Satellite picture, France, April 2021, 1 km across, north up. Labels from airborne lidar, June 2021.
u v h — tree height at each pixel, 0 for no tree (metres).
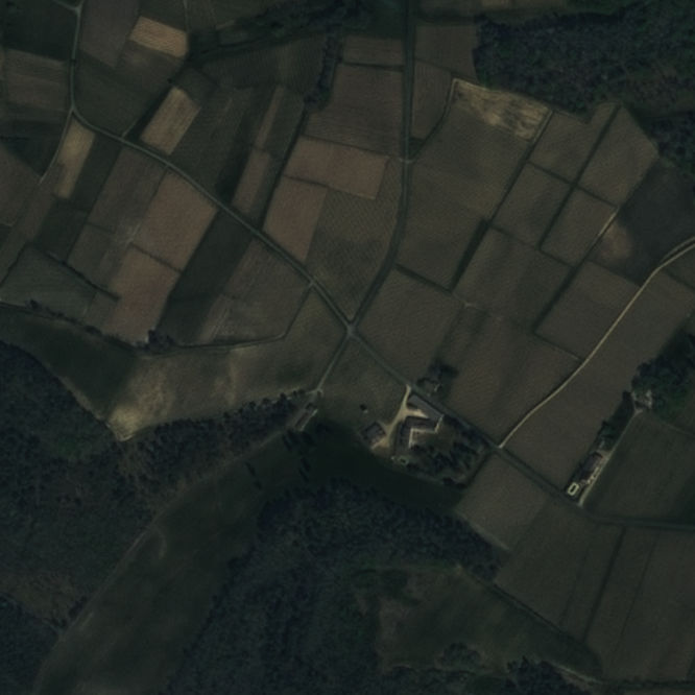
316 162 0
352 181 0
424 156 0
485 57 17
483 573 14
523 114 0
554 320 0
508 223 0
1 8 0
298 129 0
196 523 0
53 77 0
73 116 0
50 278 0
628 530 0
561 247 0
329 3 0
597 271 0
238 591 18
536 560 0
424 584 0
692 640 0
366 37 0
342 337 0
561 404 0
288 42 0
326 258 0
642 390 17
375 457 0
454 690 19
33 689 18
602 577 0
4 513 17
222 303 0
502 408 0
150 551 0
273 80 0
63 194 0
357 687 14
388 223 0
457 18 0
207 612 0
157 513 11
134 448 10
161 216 0
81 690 0
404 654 0
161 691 0
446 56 0
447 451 0
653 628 0
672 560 0
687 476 0
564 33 21
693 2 22
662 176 0
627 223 0
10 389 18
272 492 0
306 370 0
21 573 12
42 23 0
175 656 0
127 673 0
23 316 0
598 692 0
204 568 0
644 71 22
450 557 17
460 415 0
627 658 0
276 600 16
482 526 0
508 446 0
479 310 0
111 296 0
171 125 0
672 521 0
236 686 18
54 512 12
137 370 0
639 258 0
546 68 20
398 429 0
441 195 0
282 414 14
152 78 0
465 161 0
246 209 0
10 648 21
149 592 0
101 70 0
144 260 0
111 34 0
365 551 23
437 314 0
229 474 0
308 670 8
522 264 0
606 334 0
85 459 10
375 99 0
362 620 16
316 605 14
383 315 0
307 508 20
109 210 0
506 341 0
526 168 0
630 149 0
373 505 19
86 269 0
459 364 0
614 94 23
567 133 0
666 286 0
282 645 15
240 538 0
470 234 0
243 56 0
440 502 0
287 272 0
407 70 0
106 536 22
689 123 23
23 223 0
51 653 19
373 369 0
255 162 0
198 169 0
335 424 0
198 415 0
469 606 0
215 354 0
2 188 0
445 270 0
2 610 19
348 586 13
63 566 13
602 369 0
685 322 0
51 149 0
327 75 11
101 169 0
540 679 15
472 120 0
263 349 0
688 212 0
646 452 0
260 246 0
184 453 22
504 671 0
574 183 0
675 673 0
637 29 19
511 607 0
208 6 0
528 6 0
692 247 0
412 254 0
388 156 0
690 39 15
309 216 0
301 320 0
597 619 0
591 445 0
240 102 0
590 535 0
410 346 0
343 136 0
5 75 0
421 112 0
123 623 0
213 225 0
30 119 0
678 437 0
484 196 0
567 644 0
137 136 0
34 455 15
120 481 18
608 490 0
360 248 0
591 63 10
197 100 0
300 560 9
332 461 0
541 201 0
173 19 0
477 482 0
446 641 0
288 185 0
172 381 0
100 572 17
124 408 0
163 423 0
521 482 0
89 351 0
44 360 0
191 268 0
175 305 0
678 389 23
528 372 0
